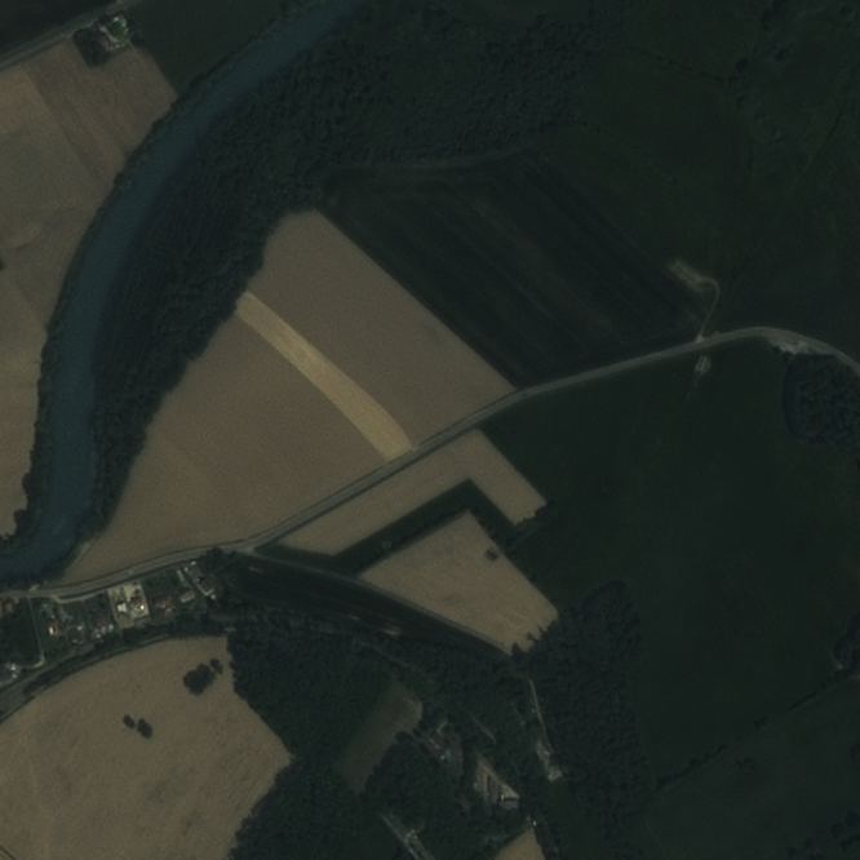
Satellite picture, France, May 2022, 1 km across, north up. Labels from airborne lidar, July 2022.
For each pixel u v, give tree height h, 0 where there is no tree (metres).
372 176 0
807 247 0
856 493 0
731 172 0
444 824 24
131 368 27
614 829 20
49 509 0
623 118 0
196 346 31
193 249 24
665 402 0
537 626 0
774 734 0
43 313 0
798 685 0
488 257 0
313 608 0
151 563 0
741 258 0
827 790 0
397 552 9
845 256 0
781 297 0
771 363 0
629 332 0
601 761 8
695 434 0
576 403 0
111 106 0
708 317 0
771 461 0
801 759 0
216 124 16
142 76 0
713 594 0
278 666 27
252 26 0
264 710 21
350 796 21
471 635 0
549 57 8
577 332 0
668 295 0
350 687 23
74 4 0
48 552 0
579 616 20
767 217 0
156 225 29
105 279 0
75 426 0
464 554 0
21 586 12
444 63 7
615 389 0
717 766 0
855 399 22
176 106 11
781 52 13
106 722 0
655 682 0
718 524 0
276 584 0
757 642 0
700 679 0
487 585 0
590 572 0
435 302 0
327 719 24
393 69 8
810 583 0
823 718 0
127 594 0
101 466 10
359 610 0
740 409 0
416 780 25
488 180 0
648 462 0
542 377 0
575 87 9
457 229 0
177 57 0
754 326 0
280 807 23
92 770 0
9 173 0
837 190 0
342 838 23
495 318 0
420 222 0
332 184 0
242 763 0
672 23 0
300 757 18
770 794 0
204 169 28
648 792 16
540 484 0
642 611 0
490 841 7
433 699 20
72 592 0
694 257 0
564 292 0
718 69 0
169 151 0
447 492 0
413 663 14
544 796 24
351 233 0
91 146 0
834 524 0
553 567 0
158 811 0
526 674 20
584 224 0
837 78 0
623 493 0
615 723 18
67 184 0
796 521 0
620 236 0
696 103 0
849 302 0
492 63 9
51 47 0
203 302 23
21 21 0
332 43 7
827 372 26
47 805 0
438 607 0
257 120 18
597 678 20
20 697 0
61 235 0
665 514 0
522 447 0
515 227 0
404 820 14
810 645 0
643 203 0
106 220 0
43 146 0
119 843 0
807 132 0
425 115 8
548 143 0
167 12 0
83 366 0
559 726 7
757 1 0
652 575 0
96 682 0
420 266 0
